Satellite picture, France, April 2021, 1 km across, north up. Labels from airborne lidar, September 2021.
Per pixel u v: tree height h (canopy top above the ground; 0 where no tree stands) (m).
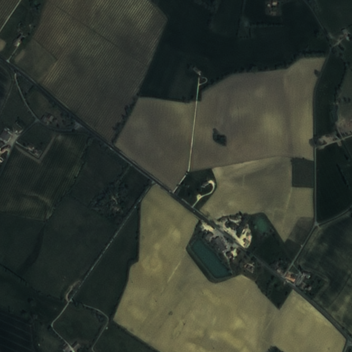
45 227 0
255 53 0
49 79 0
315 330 0
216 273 0
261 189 0
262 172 0
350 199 0
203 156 0
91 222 0
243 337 0
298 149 0
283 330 0
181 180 0
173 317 0
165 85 0
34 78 0
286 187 0
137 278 0
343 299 0
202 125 0
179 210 0
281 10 0
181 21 0
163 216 0
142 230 0
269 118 0
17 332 0
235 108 0
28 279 0
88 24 0
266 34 0
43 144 8
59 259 0
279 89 0
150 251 0
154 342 0
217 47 0
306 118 0
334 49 16
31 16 0
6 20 0
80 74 0
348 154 0
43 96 0
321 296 0
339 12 0
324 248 0
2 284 0
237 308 0
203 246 0
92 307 0
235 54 0
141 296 0
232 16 0
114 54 0
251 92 0
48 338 0
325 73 0
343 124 0
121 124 8
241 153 0
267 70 14
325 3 0
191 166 0
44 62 0
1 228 0
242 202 0
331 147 0
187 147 0
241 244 0
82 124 0
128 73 0
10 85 0
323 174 0
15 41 0
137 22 0
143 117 0
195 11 0
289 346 0
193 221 0
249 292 0
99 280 0
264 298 0
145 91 0
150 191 0
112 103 0
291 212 0
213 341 0
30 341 0
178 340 0
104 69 0
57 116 0
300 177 0
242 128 0
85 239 0
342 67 0
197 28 0
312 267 0
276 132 0
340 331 0
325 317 0
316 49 0
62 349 0
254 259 12
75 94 0
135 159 0
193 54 0
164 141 0
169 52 0
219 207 0
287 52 0
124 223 8
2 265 0
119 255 0
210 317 0
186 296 0
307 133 0
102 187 0
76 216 0
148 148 0
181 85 0
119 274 0
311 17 0
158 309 0
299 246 0
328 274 0
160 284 0
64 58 0
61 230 0
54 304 0
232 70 0
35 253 0
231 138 0
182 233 0
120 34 0
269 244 0
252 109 0
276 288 13
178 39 0
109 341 0
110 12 0
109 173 0
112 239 6
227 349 0
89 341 0
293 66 0
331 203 0
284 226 0
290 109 0
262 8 0
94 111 0
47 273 0
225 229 0
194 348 0
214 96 0
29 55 0
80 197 0
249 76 0
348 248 0
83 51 0
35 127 0
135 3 0
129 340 0
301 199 0
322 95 0
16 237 0
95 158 0
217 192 0
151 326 0
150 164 0
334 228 0
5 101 0
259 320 0
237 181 0
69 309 0
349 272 0
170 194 0
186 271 0
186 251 0
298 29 0
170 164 0
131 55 0
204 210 0
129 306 0
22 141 0
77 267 0
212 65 0
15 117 0
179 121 0
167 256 0
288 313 0
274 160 0
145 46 0
